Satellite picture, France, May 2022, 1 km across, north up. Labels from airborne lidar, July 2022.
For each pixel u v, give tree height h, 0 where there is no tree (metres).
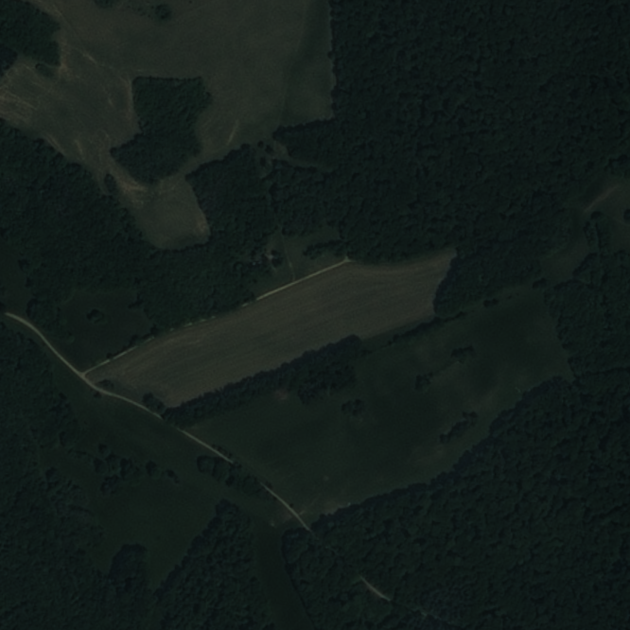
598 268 15
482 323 0
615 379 26
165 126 10
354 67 24
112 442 0
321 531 21
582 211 0
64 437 19
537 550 27
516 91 28
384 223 26
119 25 0
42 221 20
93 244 20
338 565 30
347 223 23
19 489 24
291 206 22
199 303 14
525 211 27
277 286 0
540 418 13
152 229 0
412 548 30
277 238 0
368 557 29
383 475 0
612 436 25
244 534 18
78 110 0
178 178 0
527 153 26
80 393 0
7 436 22
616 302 10
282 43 0
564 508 27
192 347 0
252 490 25
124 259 26
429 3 20
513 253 29
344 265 0
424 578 26
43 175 18
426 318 0
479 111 29
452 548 29
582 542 27
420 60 21
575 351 18
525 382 0
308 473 0
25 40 10
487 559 28
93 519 17
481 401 0
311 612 27
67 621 18
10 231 24
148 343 0
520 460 33
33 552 24
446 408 0
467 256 17
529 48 24
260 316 0
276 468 0
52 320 21
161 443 0
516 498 30
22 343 20
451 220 27
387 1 21
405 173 25
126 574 23
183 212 0
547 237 22
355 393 0
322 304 0
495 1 26
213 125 0
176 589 20
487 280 24
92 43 0
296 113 0
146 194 0
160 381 0
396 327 0
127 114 0
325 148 21
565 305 18
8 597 13
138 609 25
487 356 0
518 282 24
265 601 22
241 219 22
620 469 29
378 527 26
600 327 14
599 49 29
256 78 0
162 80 9
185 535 0
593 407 29
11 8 11
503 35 26
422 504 29
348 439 0
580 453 30
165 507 0
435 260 0
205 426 0
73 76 0
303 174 19
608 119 26
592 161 22
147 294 19
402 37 23
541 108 24
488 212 29
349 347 23
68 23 0
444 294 18
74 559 23
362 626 27
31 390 23
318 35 0
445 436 10
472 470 31
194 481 0
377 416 0
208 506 0
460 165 29
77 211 20
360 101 25
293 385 15
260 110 0
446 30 20
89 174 11
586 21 25
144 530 0
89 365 0
